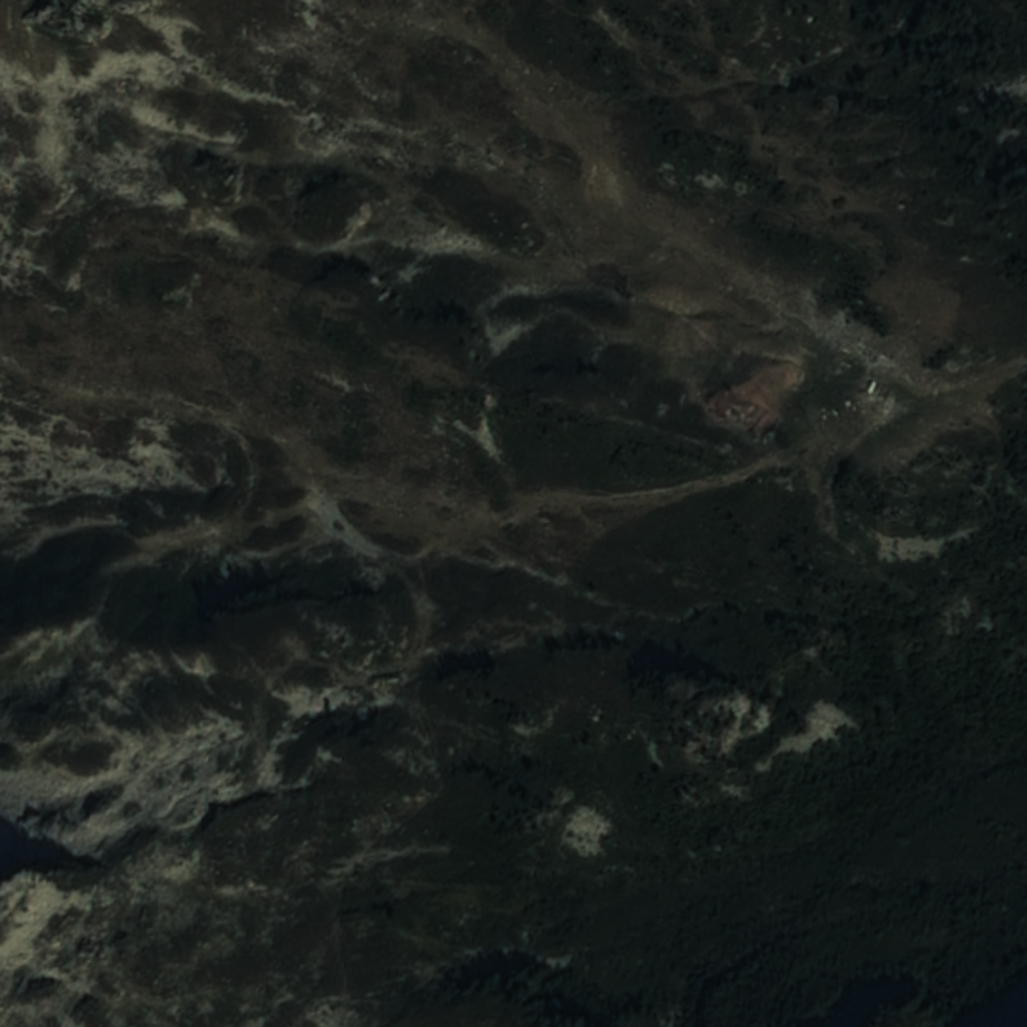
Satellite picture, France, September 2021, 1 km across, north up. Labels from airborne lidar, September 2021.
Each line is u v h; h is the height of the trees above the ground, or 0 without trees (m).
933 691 9
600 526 0
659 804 8
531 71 0
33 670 0
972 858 0
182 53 0
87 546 0
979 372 0
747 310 0
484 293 0
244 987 0
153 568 0
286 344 0
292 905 0
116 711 0
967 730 9
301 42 0
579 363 0
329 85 0
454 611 0
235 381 0
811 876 0
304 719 0
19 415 0
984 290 0
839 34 0
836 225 0
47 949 0
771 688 13
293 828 0
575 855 0
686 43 0
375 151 0
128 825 0
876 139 0
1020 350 0
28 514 0
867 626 11
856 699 8
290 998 0
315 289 0
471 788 0
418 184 0
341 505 0
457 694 0
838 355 0
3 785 0
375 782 0
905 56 8
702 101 0
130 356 0
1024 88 0
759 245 0
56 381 0
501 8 0
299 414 0
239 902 0
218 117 0
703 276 0
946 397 0
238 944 0
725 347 0
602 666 0
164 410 0
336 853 0
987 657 9
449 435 0
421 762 0
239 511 0
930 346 0
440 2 0
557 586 0
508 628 0
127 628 0
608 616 0
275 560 0
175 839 0
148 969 0
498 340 0
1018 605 8
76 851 0
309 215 0
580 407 0
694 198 0
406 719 0
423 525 0
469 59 0
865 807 9
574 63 0
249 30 0
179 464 0
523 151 0
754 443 0
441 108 0
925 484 0
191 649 0
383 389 0
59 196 0
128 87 0
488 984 14
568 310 0
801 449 0
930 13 6
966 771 6
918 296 0
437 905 0
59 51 0
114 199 0
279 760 0
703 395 0
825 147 0
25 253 0
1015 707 9
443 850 0
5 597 0
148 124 0
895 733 7
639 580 0
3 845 0
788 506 0
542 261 0
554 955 0
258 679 0
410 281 0
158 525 0
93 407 0
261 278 0
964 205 0
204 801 0
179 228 0
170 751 0
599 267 0
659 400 0
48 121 0
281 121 0
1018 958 7
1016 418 0
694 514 0
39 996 0
